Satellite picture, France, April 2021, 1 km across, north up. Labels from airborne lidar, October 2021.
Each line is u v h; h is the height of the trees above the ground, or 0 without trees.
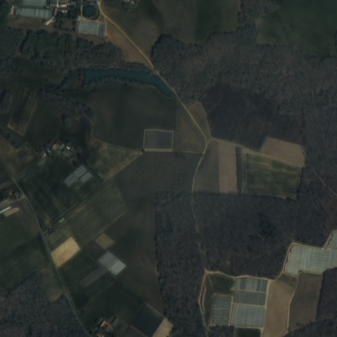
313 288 0
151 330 0
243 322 0
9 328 19
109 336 7
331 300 18
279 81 22
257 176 0
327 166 25
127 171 0
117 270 0
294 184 0
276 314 0
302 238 14
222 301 0
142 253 0
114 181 0
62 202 0
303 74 14
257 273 21
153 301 0
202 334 19
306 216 22
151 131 0
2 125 0
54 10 0
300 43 0
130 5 11
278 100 21
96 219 0
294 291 0
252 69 25
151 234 0
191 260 19
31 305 22
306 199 21
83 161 0
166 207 16
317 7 0
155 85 0
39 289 15
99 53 24
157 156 0
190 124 0
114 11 0
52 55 30
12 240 0
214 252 24
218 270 19
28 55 27
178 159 0
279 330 0
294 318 0
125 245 0
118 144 0
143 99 0
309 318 0
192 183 0
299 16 0
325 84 27
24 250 0
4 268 0
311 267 0
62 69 25
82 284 0
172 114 0
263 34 0
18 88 0
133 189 0
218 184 0
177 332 23
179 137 0
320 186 12
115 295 0
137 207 0
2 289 0
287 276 0
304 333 24
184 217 23
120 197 0
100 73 0
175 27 0
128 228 0
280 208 21
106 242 0
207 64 19
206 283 0
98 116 0
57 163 0
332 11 0
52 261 0
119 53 20
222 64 28
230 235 21
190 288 16
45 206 0
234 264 15
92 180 0
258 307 0
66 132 0
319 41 0
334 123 23
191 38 0
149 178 0
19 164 0
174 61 24
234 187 0
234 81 19
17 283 0
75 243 0
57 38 26
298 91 28
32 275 9
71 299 0
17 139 0
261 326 0
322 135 19
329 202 14
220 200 21
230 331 14
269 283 0
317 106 15
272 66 19
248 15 17
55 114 0
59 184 0
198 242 19
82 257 0
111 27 0
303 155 0
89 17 9
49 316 24
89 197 0
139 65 7
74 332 21
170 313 14
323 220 18
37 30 0
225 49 24
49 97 21
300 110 12
